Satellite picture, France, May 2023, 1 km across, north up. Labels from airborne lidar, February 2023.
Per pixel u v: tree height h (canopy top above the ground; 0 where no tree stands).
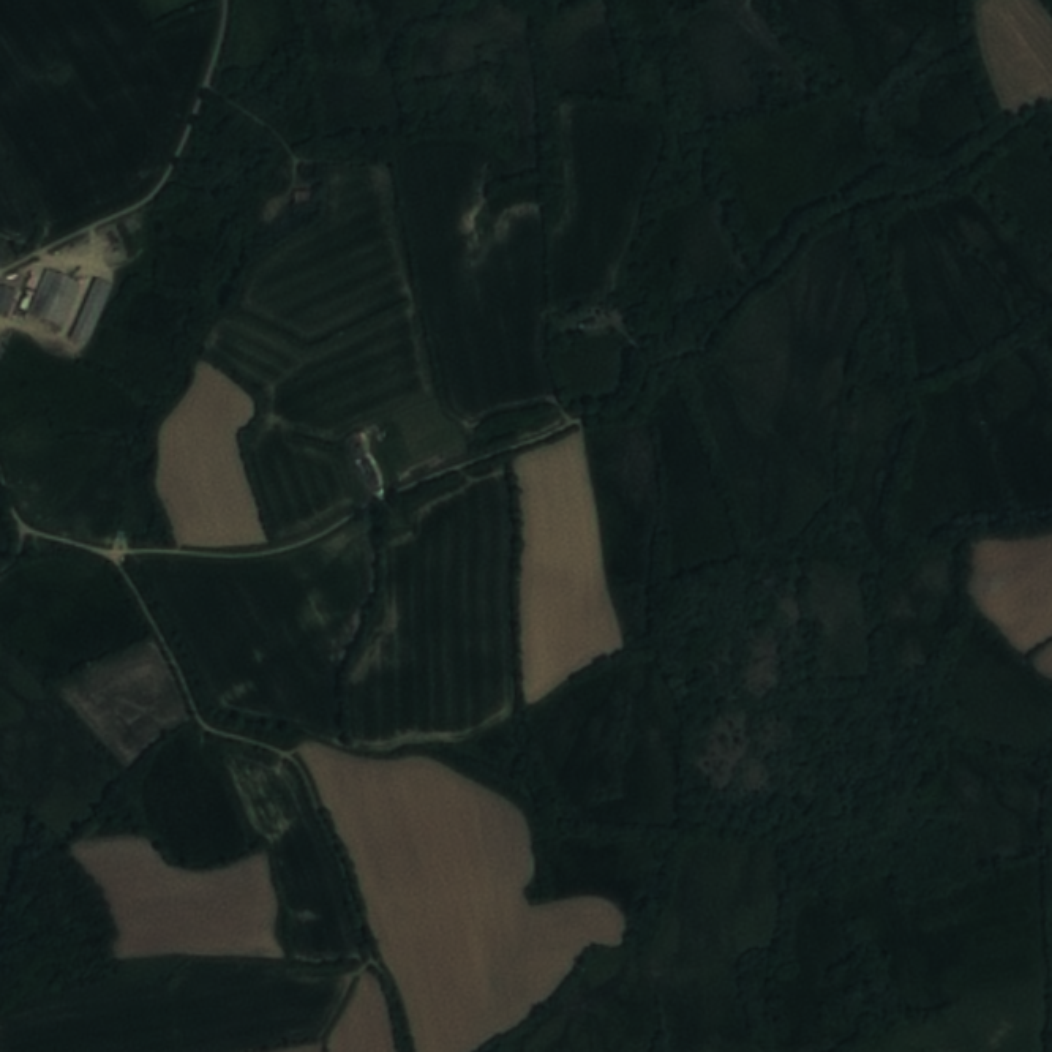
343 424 0
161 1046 0
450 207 0
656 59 5
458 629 0
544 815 10
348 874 6
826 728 7
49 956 22
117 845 0
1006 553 0
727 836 8
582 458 0
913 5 0
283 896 0
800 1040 0
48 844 16
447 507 0
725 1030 0
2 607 0
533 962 0
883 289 12
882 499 7
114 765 8
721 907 0
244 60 0
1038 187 0
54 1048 0
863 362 8
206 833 0
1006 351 7
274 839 0
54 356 0
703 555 0
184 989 0
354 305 0
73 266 0
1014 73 0
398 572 0
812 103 13
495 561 0
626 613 0
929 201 12
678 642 8
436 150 0
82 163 0
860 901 0
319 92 0
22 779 0
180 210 0
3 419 0
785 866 17
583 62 0
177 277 0
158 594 0
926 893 8
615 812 0
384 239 0
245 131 9
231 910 0
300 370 0
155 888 0
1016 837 0
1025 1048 0
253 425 7
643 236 6
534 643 0
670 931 0
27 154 0
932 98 0
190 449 0
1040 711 0
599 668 11
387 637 0
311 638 0
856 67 0
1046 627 0
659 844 16
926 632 0
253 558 0
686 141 13
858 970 11
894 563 7
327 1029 0
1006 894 0
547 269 6
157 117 0
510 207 0
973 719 0
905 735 10
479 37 0
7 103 0
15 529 8
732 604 8
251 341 0
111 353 0
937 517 0
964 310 0
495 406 0
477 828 0
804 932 0
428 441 0
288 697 0
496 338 0
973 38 6
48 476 0
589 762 0
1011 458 0
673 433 0
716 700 8
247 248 7
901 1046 0
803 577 6
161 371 0
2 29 0
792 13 0
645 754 0
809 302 0
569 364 0
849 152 0
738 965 9
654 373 8
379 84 0
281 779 0
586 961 6
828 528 11
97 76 0
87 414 0
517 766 11
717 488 8
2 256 0
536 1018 12
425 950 0
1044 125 17
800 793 6
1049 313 9
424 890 0
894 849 14
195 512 0
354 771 0
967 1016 0
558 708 0
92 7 0
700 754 8
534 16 12
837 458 6
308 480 0
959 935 0
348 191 0
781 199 0
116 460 0
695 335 8
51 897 24
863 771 7
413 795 0
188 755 0
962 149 14
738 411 0
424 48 0
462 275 0
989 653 0
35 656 0
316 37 0
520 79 0
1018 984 0
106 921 19
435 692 0
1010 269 0
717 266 0
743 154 0
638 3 0
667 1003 0
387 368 0
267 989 0
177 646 12
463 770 6
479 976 0
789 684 7
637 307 8
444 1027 0
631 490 0
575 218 0
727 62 0
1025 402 0
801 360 0
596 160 0
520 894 0
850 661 0
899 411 6
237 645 0
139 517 0
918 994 0
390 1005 7
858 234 11
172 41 0
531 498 0
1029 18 0
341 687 11
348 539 0
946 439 0
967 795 0
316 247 0
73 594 0
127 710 0
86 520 0
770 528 0
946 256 0
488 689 0
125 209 0
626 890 0
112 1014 0
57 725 0
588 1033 0
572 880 0
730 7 0
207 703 7
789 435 0
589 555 0
